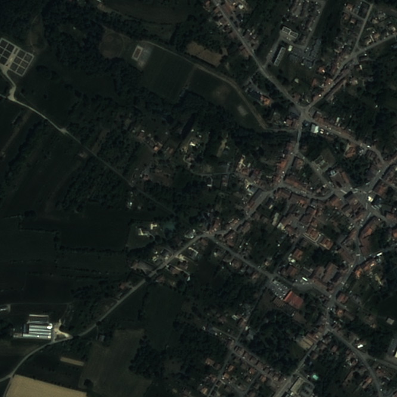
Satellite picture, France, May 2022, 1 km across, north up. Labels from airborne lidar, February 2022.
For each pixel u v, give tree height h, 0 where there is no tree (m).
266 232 11
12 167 17
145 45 0
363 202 0
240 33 0
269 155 0
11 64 0
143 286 0
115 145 18
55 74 16
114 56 0
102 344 0
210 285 11
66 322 0
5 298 0
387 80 6
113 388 0
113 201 6
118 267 0
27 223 0
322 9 0
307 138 21
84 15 20
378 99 15
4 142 0
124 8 0
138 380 0
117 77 22
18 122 12
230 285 12
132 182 0
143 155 0
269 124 6
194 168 10
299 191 0
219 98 0
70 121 0
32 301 0
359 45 0
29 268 0
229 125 22
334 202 0
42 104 0
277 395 0
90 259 0
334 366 7
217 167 0
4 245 0
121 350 0
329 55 0
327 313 0
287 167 0
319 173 0
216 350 7
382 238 12
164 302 0
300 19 0
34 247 0
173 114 21
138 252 17
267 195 0
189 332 11
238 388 0
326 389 10
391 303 0
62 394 0
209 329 0
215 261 0
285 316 14
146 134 0
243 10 0
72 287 0
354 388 0
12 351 0
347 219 0
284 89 0
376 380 0
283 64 0
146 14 0
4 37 0
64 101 0
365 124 0
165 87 0
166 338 0
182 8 0
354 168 6
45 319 0
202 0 8
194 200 10
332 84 0
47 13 26
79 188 9
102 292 6
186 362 9
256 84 8
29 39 0
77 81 0
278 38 0
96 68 22
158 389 0
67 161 0
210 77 0
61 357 0
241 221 0
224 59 8
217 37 0
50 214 0
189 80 0
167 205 14
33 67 0
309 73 0
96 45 15
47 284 0
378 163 0
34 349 0
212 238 0
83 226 0
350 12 0
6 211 0
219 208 0
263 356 27
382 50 0
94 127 12
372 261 0
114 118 0
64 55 24
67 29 0
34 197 0
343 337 0
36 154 0
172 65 0
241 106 0
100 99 13
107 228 0
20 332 0
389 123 19
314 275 0
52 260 0
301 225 0
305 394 0
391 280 14
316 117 0
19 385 0
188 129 21
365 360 0
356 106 0
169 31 0
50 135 0
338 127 0
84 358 9
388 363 0
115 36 0
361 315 0
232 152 0
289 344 19
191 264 0
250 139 27
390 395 0
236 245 0
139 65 0
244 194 10
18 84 0
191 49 0
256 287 7
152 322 0
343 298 0
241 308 6
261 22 0
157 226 0
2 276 0
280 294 0
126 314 0
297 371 0
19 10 23
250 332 0
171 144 0
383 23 0
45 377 0
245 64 6
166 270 0
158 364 14
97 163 9
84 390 0
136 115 17
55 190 0
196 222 21
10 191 0
